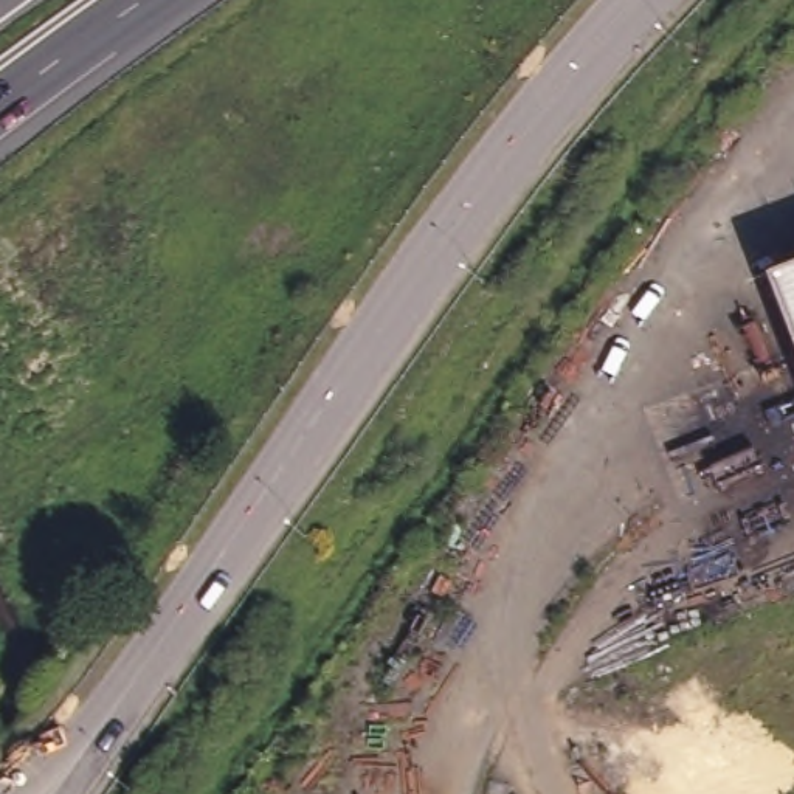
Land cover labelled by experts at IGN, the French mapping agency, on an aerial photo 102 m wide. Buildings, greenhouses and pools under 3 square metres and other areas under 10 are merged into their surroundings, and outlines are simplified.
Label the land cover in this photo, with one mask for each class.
<instances>
[{"label":"herbaceous vegetation","instance_id":"1","mask_svg":"<svg viewBox=\"0 0 794 794\"><path fill-rule=\"evenodd\" d=\"M71 0H0V53L50 16H56L59 9H65ZM577 0H226L211 16L183 31L177 40H171L164 50H158L152 59L136 65L130 74L112 81L102 93L87 99L78 112H71L65 121H59L53 130H47L40 140L25 146L0 167V586L16 605L22 627L53 639L56 605L50 599V580L84 549H93L99 543L121 546L124 540L133 546L149 533V524L161 512L171 487L189 465L192 456L205 450L208 431L220 425L230 428V440L239 450L254 434L261 416L270 409L279 388L298 369V363L313 354L316 338L332 323L341 301H347L354 282L378 257L385 242L394 236V226L416 205L422 186L456 149L459 136L478 121L481 112L490 109L499 87L509 78H515L521 62L533 53V47H540V40L558 25V19ZM695 16L682 12L679 22L667 28L658 37V43L611 87V93L602 99V105L586 124L589 133L568 149L549 199L530 205L524 223L506 239L493 264L484 270V285L471 282L456 301L453 313L444 319V326L437 332L425 329L422 341L400 366V372L391 378V385L381 391L372 413L360 422V428L338 453L332 468L323 475V481L313 487V493L298 509L292 524L264 555V561L248 580V589L236 599V605L211 630V636L192 658V689L199 701H211L217 689L230 685L226 673H214V661L226 651H248V639L242 633L251 614L257 608H267L273 596L292 602L298 642L307 645L292 692L273 713L270 738L264 741L251 732L239 747L230 741L208 744L202 751L208 769L202 772V785L195 794H270L273 782L285 778L292 766H301L307 760L304 754L292 751V741L310 735L304 726H298L295 710L307 701L310 682L338 654V642H354V627L366 620L372 602L381 592L388 571L369 564L372 552L388 540L394 518L419 515L428 496H434L447 484L450 450L456 444H471L481 434L493 409V400L506 403V388L512 385V378L521 375L540 354L552 350L540 326L530 323L524 329V323L509 310V301L496 295L506 273L518 264L530 239L540 236L543 223L558 217L561 202L574 192L589 155L605 152L611 140L620 133L627 140L623 152L639 161L633 177L627 180V195L633 202L645 199L658 171L682 164L676 152L682 149L689 130L698 121L710 118V96H732L744 84H763L760 68H766V56H775L782 50V37H794V0H735L723 22L710 31H698V25L692 22ZM397 428L428 437L425 462L413 478L394 481L378 499L360 502L354 496V481L372 468L388 431ZM627 233L620 217H611L577 257L583 267L596 270L599 257L611 251L617 239ZM586 292L574 279L552 292V310H564ZM630 676L639 679L636 692L648 698H667L682 682L698 679L713 692L723 710L760 720L775 741H785L794 751V596L788 602L741 611L723 623H698L695 630L673 633L664 651L627 667Z\"/></svg>","mask_w":794,"mask_h":794},{"label":"pervious surface","instance_id":"2","mask_svg":"<svg viewBox=\"0 0 794 794\"><path fill-rule=\"evenodd\" d=\"M689 199L664 217V223L654 230L645 248L627 257V276L605 292L589 323L552 363L546 378L530 388L527 413L518 422V428L506 437L487 440V447L478 456V465L493 468L487 490L462 496L456 502L465 515V524L450 530V546L428 561V574L409 589V602L403 605L397 633H378L357 658V664L344 670V676L350 679V692L338 701L332 720H326L319 754L307 760L301 766H292L285 778L273 782L270 794H794V751L785 741H775L760 720L723 710L713 692L698 679L682 682L667 698H648L636 692L639 679L630 676L627 667L664 651L673 633L695 630L698 623H723L741 611L788 602L794 596V332L785 329L769 270L778 264H794V74L788 71L782 78H772L760 112L751 121L720 133L713 164L685 183ZM589 568L596 577L589 596L568 617L561 636L552 642L549 658L540 661L537 633L543 630L546 605L555 602L561 586L574 583V574H583ZM372 661L391 664V704H378V698L369 689L366 673ZM53 651V639L22 627L16 605L0 586V723H16L25 679Z\"/></svg>","mask_w":794,"mask_h":794},{"label":"impervious surface","instance_id":"3","mask_svg":"<svg viewBox=\"0 0 794 794\"><path fill-rule=\"evenodd\" d=\"M226 0H71L65 9H59L56 16H50L0 53V167L25 146L40 140L47 130H53L59 121H65L71 112H78L87 99L102 93L112 81L130 74L136 65L152 59L158 50H164L171 40H177L183 31L211 16ZM710 6V0H577L558 19V25L540 40V47H533V53L521 62L515 78H509L499 87L490 109L481 112L478 121L459 136L456 149L422 186L416 205L394 226V236L385 242L378 257L354 282L347 301H341L332 323L316 338L313 354L298 363V369L279 388L270 409L261 416L254 434L239 450L217 478L202 512L192 518L180 543L171 549L155 580V589L161 592L158 611L152 614V623L143 633L112 636L105 645L78 654L68 667L71 676L53 692L37 723L25 732L16 723H0V794H127L133 788L136 766L152 751H158L171 735L161 720H167L177 710V695L192 689V658L211 636V630L236 605V599L248 589V580L264 561V555L292 524L298 509L313 493V487L323 481V475L332 468L338 453L360 428V422L372 413L381 391L391 385V378L400 372V366L422 341L425 329L437 332L444 326V319L453 313L456 301L471 282L484 285V270L493 264L506 239L524 223L530 205L549 199L568 149L589 133L586 124L602 105V99L611 93V87L658 43V37L667 28L679 22L682 12L695 16H701Z\"/></svg>","mask_w":794,"mask_h":794},{"label":"brushwood","instance_id":"4","mask_svg":"<svg viewBox=\"0 0 794 794\"><path fill-rule=\"evenodd\" d=\"M735 0H710V6L701 16H695L692 22L698 25V31H710L723 22ZM788 71L794 74V37H782V50L775 56H766V68H760L763 84H744L732 96H710V118L698 121L689 130L682 149L676 152L682 164L658 171L645 199L633 202L627 195V180L633 177L639 161L623 152L627 140L620 133L611 140L605 152L589 155L574 192L561 202L558 217L543 223L540 236L530 239L518 264L506 273L496 295L509 301V310L524 323V329L530 323L540 326L552 350L540 354L521 375L512 378V385L506 388V403L493 400V409L481 434L471 444H456L450 450L447 484L434 496H428L419 515L394 518L388 540L372 552L369 564L388 571L381 592L372 602L366 620L354 627V642H338V654L310 682L307 701L295 710L298 726H304L310 735L292 741V751L304 754L307 760L319 754L326 720H332L338 701L350 692V679L344 676V670L357 664V658L378 633H397L403 605L409 602V589L428 574V561L450 546V530L465 524V515L456 502L462 496L487 490L493 468L478 465V456L487 447V440L506 437L518 428V422L527 413L530 388L546 378L552 363L589 323L605 292L627 276V257L645 248L654 230L664 223V217L689 199L685 183L713 164L720 133L751 121L760 112L772 78H782ZM611 217H620L627 233L617 239L611 251L599 257L596 270L583 267L577 257ZM574 279L586 292L564 310H552V292ZM428 437L397 428L388 431L372 468L354 481V496L360 502L378 499L394 481L413 478L425 462ZM217 478L199 475L189 465L171 487L161 512L149 524V533L133 546V552L146 564V574L155 580L171 549L180 543L192 518L202 512ZM596 577L589 568L583 574H574V583L561 586L555 602L546 605L543 630L537 633L540 661L549 658L552 642L561 636L568 617L589 596ZM248 639V651H226L214 661V673H226L230 685L217 689L211 701H199L192 689L177 695V710L167 720H161L171 735L158 751H152L136 766L133 788L127 794H195L202 785V772L208 769L202 751L208 744L230 741L239 747L251 732L264 741L270 738L273 713L292 692L307 645L298 642L292 602L273 596L267 608H257L251 614L242 633ZM78 654L71 648L53 651L25 679L16 723L25 732L37 723L53 692L71 676L68 667ZM391 664L372 661L366 673L369 689L378 698V704H391Z\"/></svg>","mask_w":794,"mask_h":794},{"label":"deciduous trees","instance_id":"5","mask_svg":"<svg viewBox=\"0 0 794 794\"><path fill-rule=\"evenodd\" d=\"M239 450L230 440V428L220 425L208 431L205 450L192 456L189 465L199 475L217 478ZM161 592L155 589V580L146 574V564L133 552V546L124 540L121 546L99 543L93 549H84L50 580V599L56 605L53 639V651L71 648L78 654L105 645L112 636L143 633L152 623V614L158 611Z\"/></svg>","mask_w":794,"mask_h":794},{"label":"building","instance_id":"6","mask_svg":"<svg viewBox=\"0 0 794 794\"><path fill-rule=\"evenodd\" d=\"M785 329L794 332V264H778L769 270Z\"/></svg>","mask_w":794,"mask_h":794}]
</instances>
